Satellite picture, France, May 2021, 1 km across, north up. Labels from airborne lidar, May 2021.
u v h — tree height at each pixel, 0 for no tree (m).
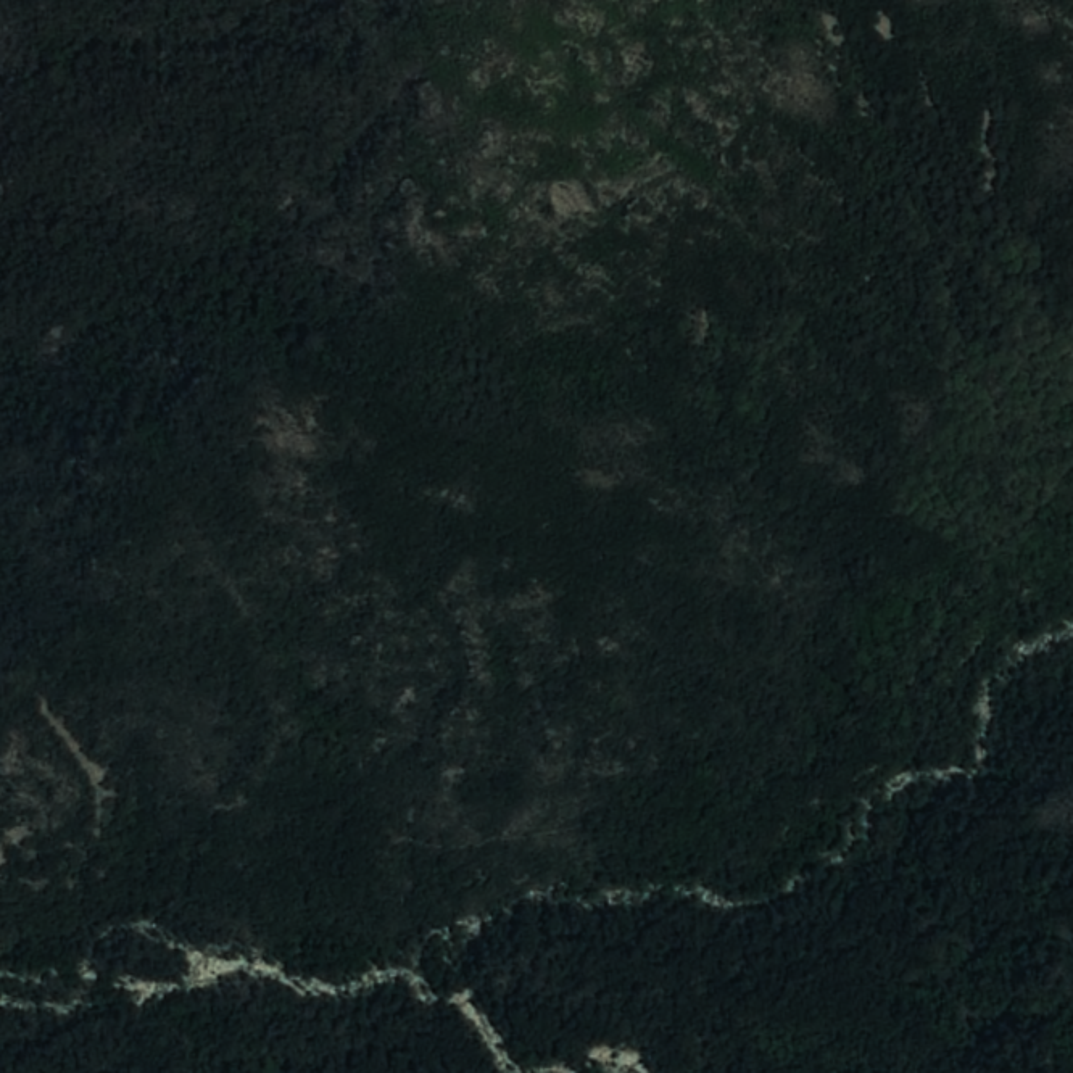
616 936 19
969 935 11
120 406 10
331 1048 22
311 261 8
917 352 13
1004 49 9
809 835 11
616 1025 23
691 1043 21
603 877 15
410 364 15
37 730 9
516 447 12
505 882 9
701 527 13
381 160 7
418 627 11
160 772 9
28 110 8
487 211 7
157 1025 7
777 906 16
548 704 13
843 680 13
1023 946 13
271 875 15
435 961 13
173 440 6
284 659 14
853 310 13
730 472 16
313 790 15
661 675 11
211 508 7
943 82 13
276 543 9
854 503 15
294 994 17
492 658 11
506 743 10
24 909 15
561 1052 26
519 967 9
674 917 28
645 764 9
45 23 12
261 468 7
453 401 14
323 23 7
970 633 5
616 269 8
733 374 16
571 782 8
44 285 7
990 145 16
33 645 8
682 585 11
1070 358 18
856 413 14
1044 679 11
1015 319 17
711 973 18
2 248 11
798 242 11
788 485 10
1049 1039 20
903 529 12
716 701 7
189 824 9
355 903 15
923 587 10
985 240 26
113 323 13
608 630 14
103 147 6
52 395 8
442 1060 25
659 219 14
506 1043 5
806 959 19
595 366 9
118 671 7
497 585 12
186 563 8
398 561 11
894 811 14
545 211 10
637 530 9
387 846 9
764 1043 12
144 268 13
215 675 14
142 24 8
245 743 10
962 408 16
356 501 11
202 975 0
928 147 13
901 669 8
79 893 9
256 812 8
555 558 10
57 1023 13
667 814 19
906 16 17
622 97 10
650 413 7
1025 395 16
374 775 9
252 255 10
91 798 10
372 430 6
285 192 10
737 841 9
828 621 12
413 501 19
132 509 8
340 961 12
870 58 14
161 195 10
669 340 20
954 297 9
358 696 16
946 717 17
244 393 9
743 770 14
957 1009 13
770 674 16
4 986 10
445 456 11
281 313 17
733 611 12
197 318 13
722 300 11
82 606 14
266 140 10
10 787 14
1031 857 21
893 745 9
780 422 12
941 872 25
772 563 12
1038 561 13
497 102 5
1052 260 15
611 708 13
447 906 11
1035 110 11
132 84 8
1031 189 8
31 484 8
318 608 10
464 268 7
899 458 13
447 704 15
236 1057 11
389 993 21
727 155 7
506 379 23
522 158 6
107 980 12
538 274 6
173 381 6
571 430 8
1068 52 6
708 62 6
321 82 9
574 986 12
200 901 12
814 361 11
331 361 17
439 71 5
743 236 7
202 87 8
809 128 9
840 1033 14
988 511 12
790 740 8
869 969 26
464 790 13
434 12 8
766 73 6
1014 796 24
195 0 7
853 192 9
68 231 15
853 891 18
